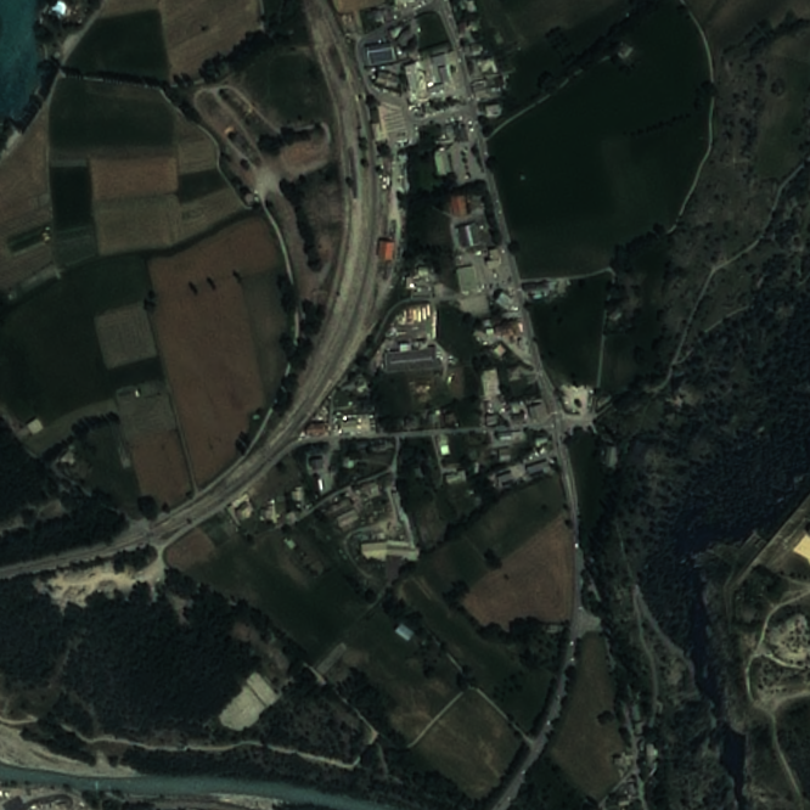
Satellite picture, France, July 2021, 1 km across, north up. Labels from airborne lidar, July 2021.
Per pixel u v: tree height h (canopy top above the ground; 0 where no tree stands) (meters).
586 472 0
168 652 12
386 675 0
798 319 8
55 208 0
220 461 0
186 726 9
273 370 0
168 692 9
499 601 0
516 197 0
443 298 0
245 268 0
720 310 0
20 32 0
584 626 0
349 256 0
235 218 0
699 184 0
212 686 11
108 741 0
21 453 24
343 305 0
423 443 9
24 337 0
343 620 0
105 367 0
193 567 0
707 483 11
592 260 0
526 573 0
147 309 12
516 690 7
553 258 0
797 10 0
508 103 5
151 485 0
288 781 9
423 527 0
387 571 0
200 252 0
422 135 7
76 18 0
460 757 0
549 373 0
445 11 0
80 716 8
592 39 0
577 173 0
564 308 0
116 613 8
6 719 0
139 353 0
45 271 0
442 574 0
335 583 0
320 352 0
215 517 0
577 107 0
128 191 0
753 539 0
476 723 0
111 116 0
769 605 0
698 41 0
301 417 0
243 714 0
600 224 0
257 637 0
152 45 0
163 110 0
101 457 0
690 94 0
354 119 0
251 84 0
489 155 0
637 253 20
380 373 15
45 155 0
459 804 15
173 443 0
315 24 0
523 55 0
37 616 11
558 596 0
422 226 8
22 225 0
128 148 0
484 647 0
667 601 6
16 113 0
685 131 0
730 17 0
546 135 0
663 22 0
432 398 0
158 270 0
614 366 0
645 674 8
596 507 0
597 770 0
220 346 0
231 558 0
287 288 19
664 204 0
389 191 0
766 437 6
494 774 0
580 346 0
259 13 0
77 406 0
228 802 0
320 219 0
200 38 0
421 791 8
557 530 0
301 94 0
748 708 0
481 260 0
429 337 0
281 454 0
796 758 6
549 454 0
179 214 0
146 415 0
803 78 0
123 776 0
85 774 0
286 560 0
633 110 0
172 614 15
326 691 13
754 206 0
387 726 13
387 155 13
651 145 0
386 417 12
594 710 0
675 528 6
